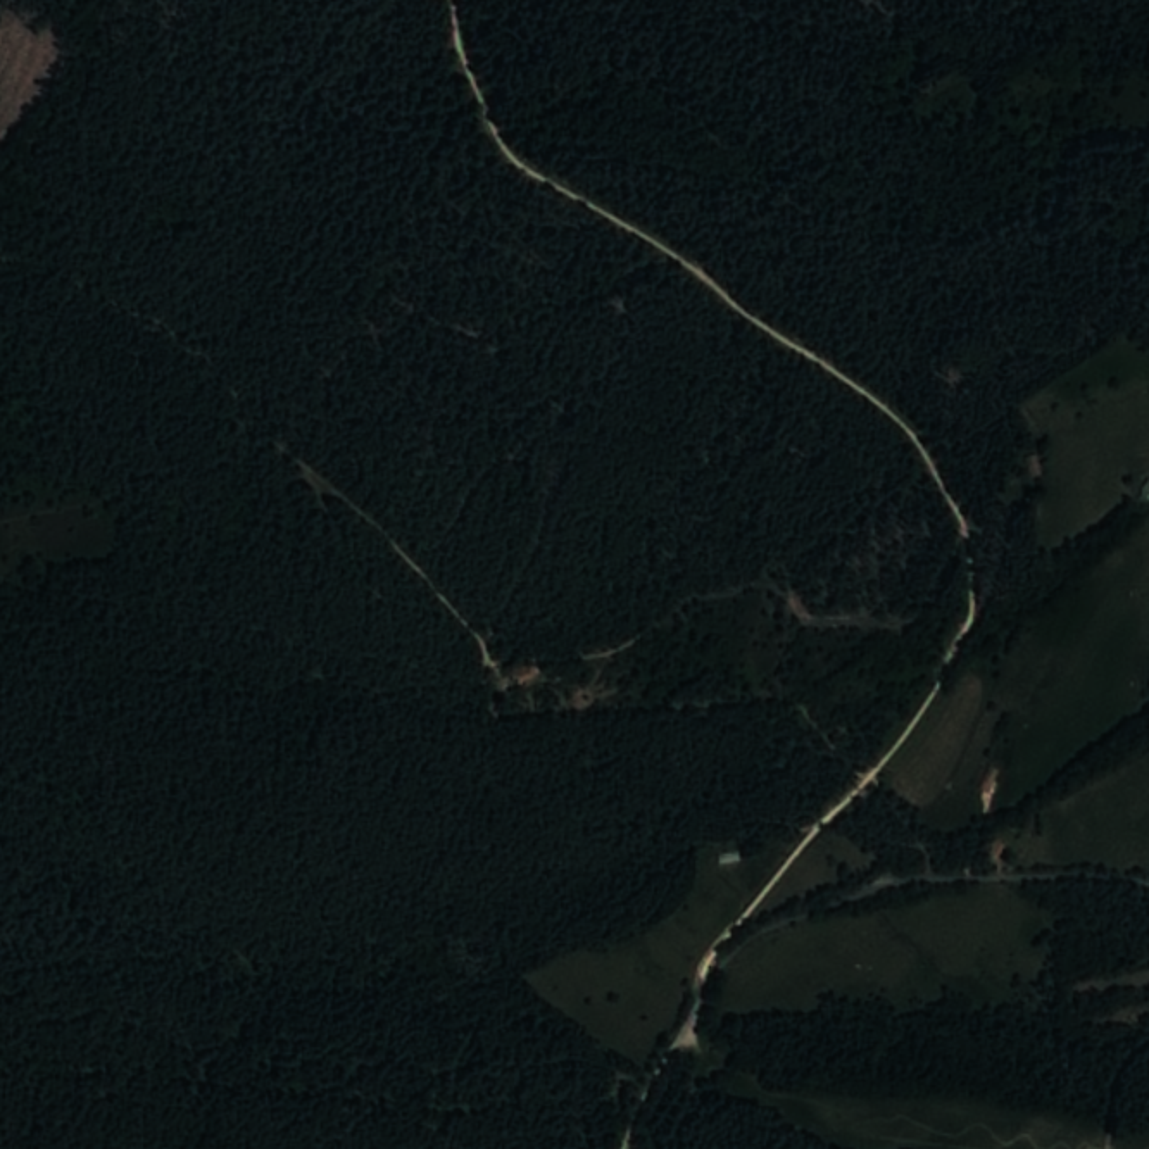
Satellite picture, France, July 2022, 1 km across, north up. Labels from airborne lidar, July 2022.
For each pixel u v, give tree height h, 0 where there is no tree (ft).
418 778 61
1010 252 87
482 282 79
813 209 54
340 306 71
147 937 69
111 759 43
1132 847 0
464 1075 68
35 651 34
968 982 0
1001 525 61
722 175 41
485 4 87
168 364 62
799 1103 0
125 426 71
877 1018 28
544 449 85
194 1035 66
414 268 70
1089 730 0
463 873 55
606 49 69
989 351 87
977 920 0
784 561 52
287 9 46
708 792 41
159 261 66
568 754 56
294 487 67
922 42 46
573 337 66
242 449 46
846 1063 35
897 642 21
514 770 58
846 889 49
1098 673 0
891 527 72
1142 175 80
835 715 22
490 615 58
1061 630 0
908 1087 29
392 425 65
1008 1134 0
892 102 68
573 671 37
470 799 53
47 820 67
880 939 0
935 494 36
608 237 80
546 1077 58
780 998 0
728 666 23
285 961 52
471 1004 65
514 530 58
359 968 64
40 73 0
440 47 74
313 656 56
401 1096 69
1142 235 46
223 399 53
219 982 62
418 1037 76
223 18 78
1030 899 26
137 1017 80
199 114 64
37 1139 55
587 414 76
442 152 79
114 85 77
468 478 60
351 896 64
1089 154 68
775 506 64
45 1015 50
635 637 34
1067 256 89
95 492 33
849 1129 0
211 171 70
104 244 51
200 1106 63
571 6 102
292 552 47
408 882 63
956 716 0
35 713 52
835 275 73
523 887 45
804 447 83
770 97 90
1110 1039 44
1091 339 74
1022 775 0
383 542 39
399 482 44
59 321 49
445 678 51
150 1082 47
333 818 59
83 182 66
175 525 45
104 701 26
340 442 56
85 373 62
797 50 92
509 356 72
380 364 33
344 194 73
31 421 28
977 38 52
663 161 32
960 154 51
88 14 37
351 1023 67
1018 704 0
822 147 83
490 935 72
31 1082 57
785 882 0
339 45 98
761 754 48
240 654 55
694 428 69
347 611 54
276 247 58
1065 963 49
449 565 50
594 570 44
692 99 81
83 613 52
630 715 31
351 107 81
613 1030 0
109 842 48
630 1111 37
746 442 83
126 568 54
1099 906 56
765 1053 55
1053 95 21
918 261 79
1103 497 0
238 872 51
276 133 74
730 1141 54
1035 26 39
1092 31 68
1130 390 0
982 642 52
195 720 71
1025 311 81
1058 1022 50
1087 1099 81
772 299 80
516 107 108
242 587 51
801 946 0
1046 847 0
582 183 83
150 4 66
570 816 62
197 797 57
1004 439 67
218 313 66
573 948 47
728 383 52
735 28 97
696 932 0
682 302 76
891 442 73
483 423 78
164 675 55
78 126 70
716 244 74
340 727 62
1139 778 0
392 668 58
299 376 48
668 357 79
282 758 57
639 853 57
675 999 0
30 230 51
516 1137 54
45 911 85
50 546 0
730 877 0
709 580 51
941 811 0
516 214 68
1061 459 0
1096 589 0
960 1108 0
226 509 42
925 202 37
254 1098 61
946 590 70
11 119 0
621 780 52
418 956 35
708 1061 0
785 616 30
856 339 76
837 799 34
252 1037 72
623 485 59
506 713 27
